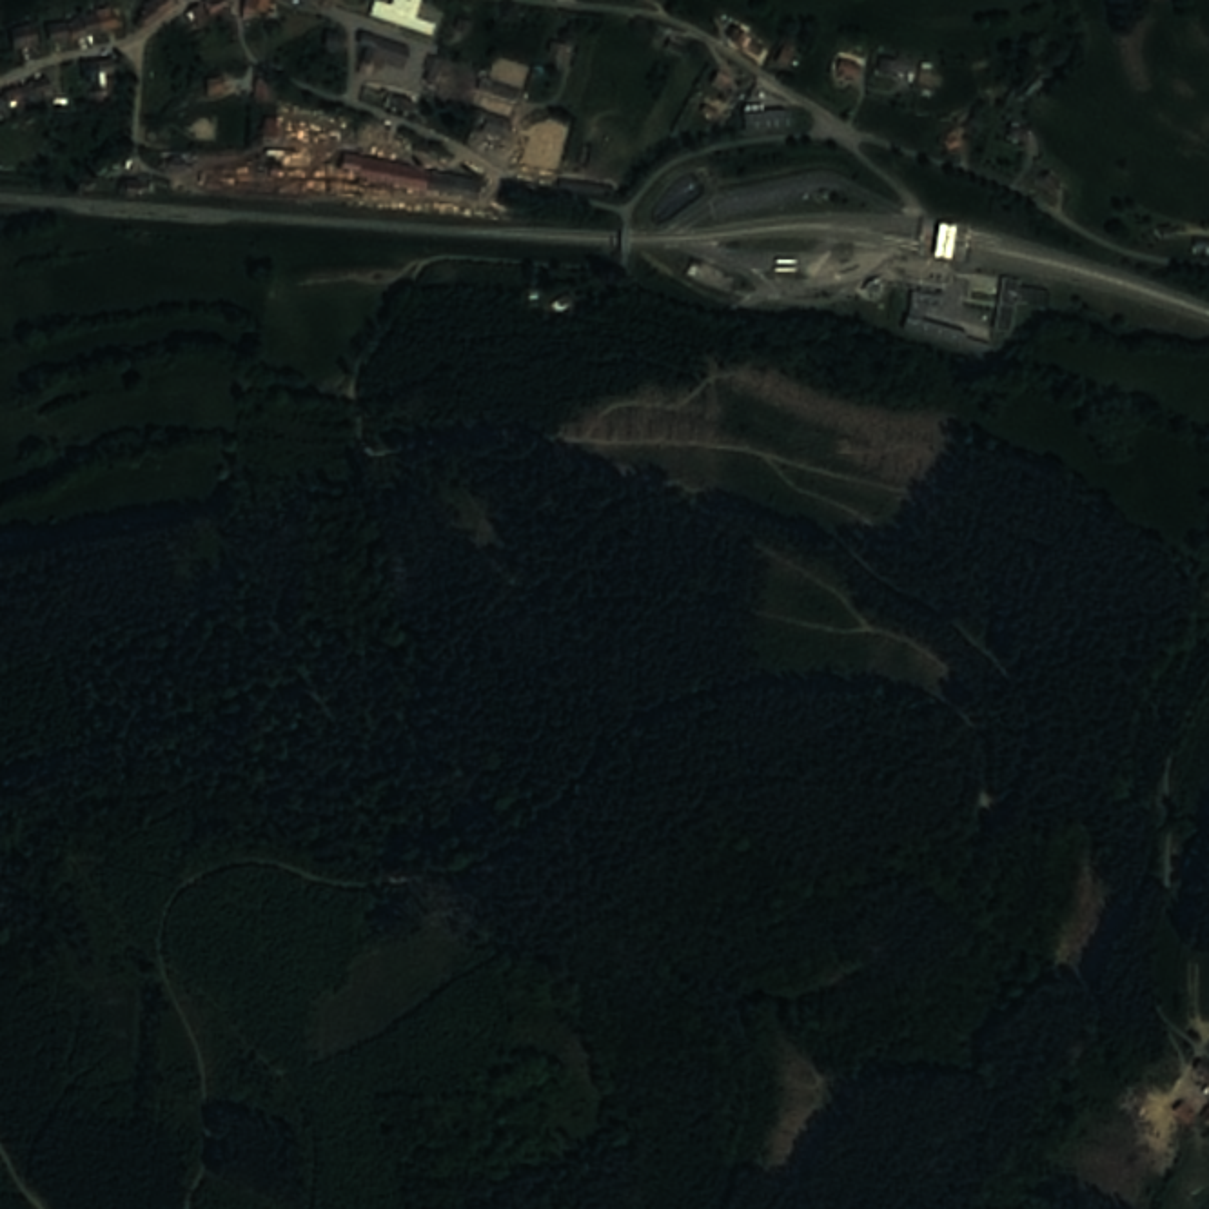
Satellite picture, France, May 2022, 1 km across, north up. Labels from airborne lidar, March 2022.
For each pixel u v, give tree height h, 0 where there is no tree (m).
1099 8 0
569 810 22
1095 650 35
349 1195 7
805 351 19
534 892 31
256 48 0
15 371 0
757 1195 25
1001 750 32
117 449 11
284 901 7
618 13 0
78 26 0
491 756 25
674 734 27
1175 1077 0
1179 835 11
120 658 35
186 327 0
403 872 28
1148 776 19
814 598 0
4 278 0
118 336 0
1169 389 0
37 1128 9
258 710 9
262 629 33
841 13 0
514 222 0
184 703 16
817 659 0
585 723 25
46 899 15
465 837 26
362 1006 0
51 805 14
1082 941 0
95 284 0
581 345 8
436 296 7
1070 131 0
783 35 10
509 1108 23
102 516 0
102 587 32
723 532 25
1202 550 21
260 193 0
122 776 9
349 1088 6
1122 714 38
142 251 0
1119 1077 9
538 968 27
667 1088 22
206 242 0
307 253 0
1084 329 17
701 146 7
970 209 0
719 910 13
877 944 21
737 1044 20
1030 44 18
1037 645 29
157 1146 15
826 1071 27
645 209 0
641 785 23
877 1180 32
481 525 0
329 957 9
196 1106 0
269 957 6
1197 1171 0
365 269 0
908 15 0
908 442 0
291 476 0
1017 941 16
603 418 0
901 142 0
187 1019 0
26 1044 8
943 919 28
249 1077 6
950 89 0
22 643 32
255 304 0
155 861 6
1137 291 0
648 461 0
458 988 8
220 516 24
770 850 21
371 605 24
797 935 17
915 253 0
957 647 24
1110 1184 0
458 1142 13
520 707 26
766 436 0
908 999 14
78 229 0
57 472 17
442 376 16
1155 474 0
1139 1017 33
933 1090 29
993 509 27
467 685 34
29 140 0
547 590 36
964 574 30
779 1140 0
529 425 9
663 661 27
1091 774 42
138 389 15
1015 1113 37
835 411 0
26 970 14
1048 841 22
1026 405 0
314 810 33
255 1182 27
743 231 0
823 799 32
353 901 7
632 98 0
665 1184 17
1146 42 0
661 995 22
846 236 0
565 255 0
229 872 6
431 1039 6
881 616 30
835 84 0
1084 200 0
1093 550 27
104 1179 12
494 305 9
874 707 26
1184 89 0
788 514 0
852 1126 33
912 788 29
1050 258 0
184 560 30
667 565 27
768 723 30
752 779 26
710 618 29
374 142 0
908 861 21
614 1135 16
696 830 19
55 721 17
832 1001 21
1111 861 27
